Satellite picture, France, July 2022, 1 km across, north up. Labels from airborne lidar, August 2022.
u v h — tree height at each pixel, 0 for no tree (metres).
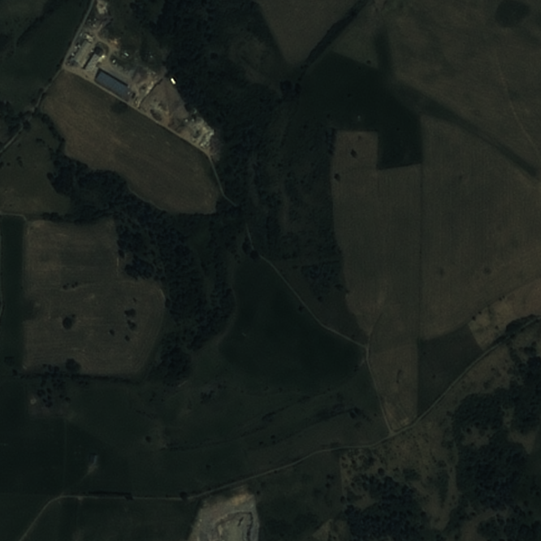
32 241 0
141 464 0
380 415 0
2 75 0
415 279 0
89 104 0
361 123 0
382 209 0
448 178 0
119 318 0
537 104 0
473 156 0
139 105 0
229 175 19
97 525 0
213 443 0
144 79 0
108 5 0
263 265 0
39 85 0
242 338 0
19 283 0
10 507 0
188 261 12
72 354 0
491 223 0
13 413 0
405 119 0
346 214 0
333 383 0
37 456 0
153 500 0
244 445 0
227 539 0
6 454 0
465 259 0
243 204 6
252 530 0
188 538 0
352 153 10
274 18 0
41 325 0
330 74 0
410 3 0
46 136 0
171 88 0
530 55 0
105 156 0
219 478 0
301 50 0
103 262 0
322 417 0
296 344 0
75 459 0
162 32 21
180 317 15
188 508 0
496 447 10
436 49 0
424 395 0
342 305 0
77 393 0
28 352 0
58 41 0
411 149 0
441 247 0
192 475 0
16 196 0
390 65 0
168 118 0
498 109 0
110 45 0
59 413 0
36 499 0
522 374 9
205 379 0
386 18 0
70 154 0
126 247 20
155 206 0
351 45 0
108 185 13
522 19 0
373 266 0
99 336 0
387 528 17
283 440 0
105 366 0
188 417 0
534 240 0
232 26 0
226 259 0
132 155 0
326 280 8
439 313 0
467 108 0
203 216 8
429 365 0
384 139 0
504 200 0
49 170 0
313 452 0
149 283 0
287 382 0
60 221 6
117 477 0
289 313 0
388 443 0
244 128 9
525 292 0
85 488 0
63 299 0
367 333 0
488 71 0
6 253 0
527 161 0
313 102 0
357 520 15
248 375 0
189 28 12
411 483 0
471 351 0
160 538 0
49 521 0
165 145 0
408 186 0
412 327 0
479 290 0
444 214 0
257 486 0
